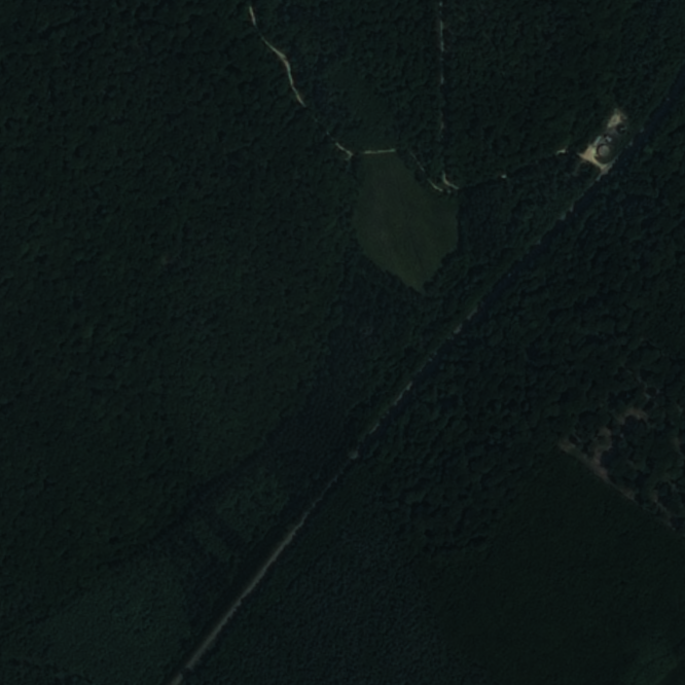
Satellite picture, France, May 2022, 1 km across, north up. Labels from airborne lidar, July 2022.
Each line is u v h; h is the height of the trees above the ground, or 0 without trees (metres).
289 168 31
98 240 28
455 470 29
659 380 29
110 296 26
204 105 32
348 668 15
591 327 32
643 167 26
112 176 26
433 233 0
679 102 23
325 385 39
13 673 7
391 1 27
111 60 24
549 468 10
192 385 21
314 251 25
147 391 27
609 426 27
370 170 0
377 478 15
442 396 8
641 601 8
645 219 8
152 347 31
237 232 24
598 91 29
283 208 30
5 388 24
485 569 14
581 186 23
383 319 36
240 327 29
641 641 17
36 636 12
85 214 23
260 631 14
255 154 30
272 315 25
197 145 30
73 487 28
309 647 19
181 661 16
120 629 21
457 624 14
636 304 28
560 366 30
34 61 29
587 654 12
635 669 15
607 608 12
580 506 10
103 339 28
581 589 11
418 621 15
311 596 22
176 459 27
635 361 29
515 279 29
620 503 10
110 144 27
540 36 23
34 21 22
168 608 18
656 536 9
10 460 28
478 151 26
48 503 28
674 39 17
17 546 28
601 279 25
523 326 30
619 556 10
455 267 17
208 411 20
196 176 29
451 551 31
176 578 20
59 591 28
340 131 18
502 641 15
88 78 27
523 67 25
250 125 33
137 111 25
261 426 28
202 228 22
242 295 24
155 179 25
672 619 10
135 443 33
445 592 10
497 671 17
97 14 28
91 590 19
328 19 28
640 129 0
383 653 15
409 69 28
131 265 26
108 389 27
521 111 29
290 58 26
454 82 27
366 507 23
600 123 11
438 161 23
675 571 9
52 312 27
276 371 28
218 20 29
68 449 26
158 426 27
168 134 29
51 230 29
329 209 31
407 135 25
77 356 28
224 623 0
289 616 20
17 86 30
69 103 29
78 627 20
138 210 29
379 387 15
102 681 22
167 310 25
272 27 25
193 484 20
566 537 14
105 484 27
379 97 17
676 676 0
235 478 39
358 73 23
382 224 0
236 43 30
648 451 34
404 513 27
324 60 16
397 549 16
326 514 14
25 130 28
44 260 30
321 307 23
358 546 19
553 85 29
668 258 26
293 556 15
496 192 24
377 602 17
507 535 14
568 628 11
